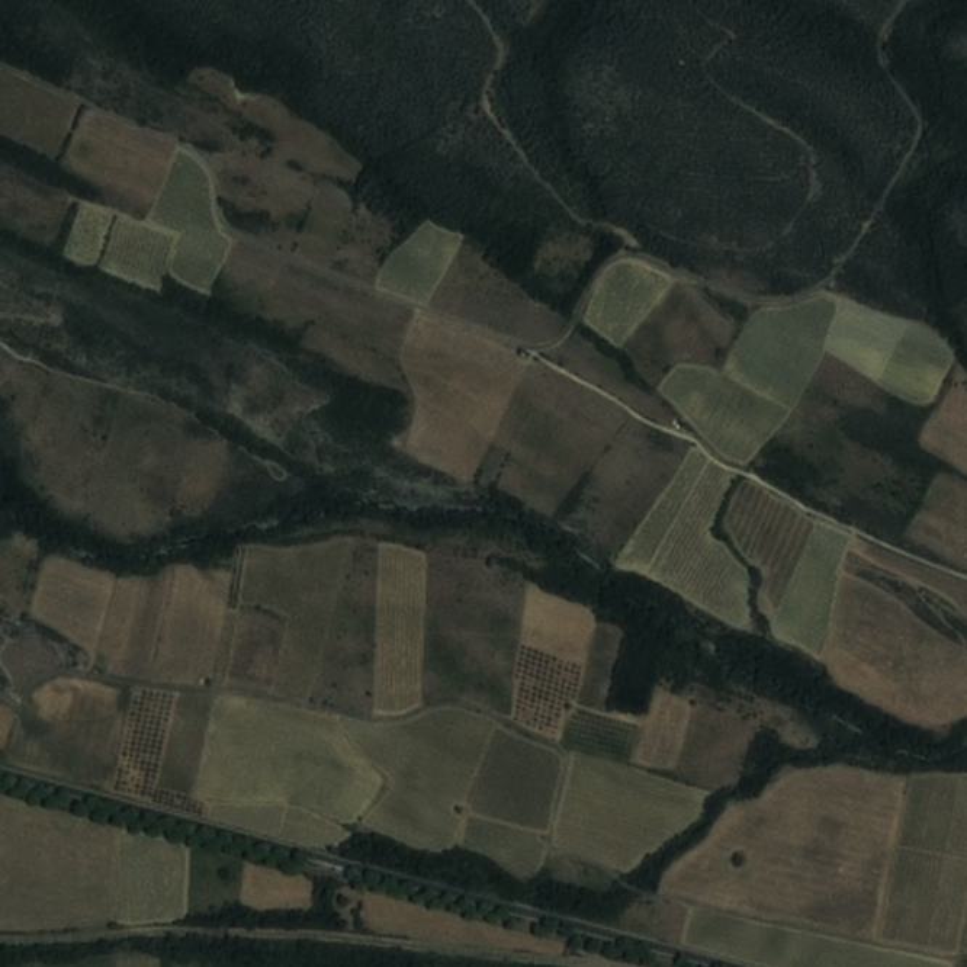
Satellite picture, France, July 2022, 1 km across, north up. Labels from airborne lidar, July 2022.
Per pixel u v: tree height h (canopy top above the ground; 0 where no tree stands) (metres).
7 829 0
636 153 6
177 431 0
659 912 0
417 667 0
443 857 7
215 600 0
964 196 10
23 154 6
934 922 0
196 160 0
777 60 7
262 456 8
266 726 0
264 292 0
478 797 0
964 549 0
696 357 0
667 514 0
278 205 0
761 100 11
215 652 0
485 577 0
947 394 0
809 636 0
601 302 0
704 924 0
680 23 8
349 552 0
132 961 0
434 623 0
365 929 8
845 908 0
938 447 0
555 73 8
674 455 0
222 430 8
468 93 10
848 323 0
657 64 11
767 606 0
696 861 0
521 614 0
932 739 8
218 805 0
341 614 0
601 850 0
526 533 9
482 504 8
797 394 0
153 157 0
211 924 15
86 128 0
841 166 7
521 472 0
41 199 0
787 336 0
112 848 0
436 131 10
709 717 0
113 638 0
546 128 9
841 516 7
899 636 0
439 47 7
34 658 0
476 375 0
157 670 0
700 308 0
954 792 0
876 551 0
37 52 6
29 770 0
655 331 0
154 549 16
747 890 0
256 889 0
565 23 9
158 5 10
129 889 0
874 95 10
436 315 0
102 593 0
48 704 0
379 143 8
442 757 0
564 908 16
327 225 0
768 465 6
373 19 8
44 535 15
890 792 0
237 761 0
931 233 12
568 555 19
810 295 0
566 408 0
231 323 7
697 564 0
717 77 7
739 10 11
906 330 0
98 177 0
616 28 9
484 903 15
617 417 0
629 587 17
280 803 0
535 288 8
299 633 0
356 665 0
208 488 0
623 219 9
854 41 16
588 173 8
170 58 12
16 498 21
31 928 0
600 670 0
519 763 0
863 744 9
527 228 6
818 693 15
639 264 0
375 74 7
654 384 0
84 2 7
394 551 0
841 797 0
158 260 0
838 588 0
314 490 8
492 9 13
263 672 0
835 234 9
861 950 0
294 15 8
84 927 0
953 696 0
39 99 0
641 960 16
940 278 14
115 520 0
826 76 7
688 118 5
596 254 11
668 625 13
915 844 0
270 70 7
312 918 9
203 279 0
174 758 0
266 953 9
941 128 11
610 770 0
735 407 0
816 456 0
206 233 0
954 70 11
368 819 0
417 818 0
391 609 0
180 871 0
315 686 0
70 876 0
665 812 0
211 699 0
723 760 0
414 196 11
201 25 9
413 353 0
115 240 0
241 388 0
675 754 0
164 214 0
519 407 0
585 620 0
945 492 0
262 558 0
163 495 0
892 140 7
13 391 0
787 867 0
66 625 0
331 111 9
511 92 17
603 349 10
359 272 0
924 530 0
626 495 0
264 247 0
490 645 0
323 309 0
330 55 7
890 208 7
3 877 0
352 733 0
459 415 0
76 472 0
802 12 7
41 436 0
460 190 11
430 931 0
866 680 0
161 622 0
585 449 0
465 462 0
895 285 7
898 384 0
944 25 7
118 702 0
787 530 0
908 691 0
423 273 0
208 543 10
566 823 0
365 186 16
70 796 17
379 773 0
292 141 0
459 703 0
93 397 0
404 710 0
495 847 0
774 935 0
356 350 0
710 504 0
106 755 0
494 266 9
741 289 0
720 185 7
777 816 0
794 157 7
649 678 11
